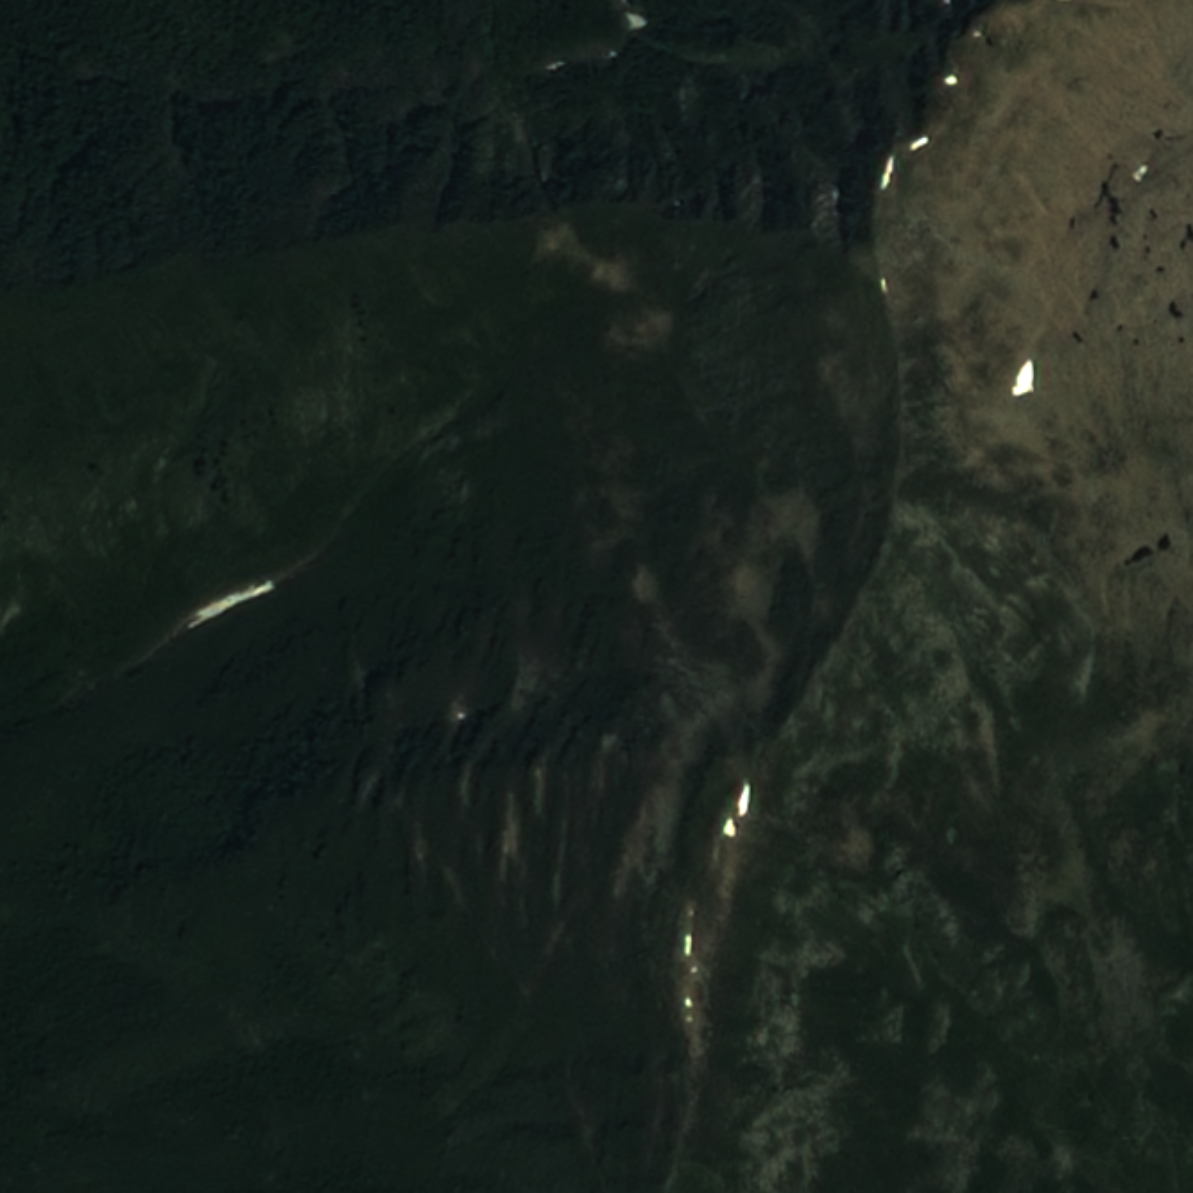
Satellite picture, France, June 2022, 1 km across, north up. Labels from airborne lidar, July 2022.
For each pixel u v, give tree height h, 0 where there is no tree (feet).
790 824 0
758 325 0
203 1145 0
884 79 0
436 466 0
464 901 0
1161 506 0
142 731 0
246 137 19
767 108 0
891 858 0
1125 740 0
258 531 0
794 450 0
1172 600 0
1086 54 0
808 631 0
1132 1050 0
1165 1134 0
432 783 0
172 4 19
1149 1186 0
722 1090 0
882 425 0
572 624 0
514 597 0
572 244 0
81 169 30
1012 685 0
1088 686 0
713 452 0
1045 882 0
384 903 0
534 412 0
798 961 0
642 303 0
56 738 0
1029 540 0
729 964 0
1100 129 0
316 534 0
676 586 0
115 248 21
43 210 22
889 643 0
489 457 0
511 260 0
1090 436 0
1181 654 0
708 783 0
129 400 0
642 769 0
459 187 25
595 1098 0
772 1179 0
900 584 0
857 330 0
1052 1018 0
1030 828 0
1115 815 0
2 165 22
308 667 0
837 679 0
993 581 0
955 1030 0
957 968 0
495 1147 0
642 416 0
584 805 0
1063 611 0
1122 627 0
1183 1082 0
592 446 0
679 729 0
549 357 0
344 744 0
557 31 0
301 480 0
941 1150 0
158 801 19
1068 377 0
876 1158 0
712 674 0
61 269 22
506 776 0
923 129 0
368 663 0
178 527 0
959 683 0
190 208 25
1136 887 0
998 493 0
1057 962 0
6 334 0
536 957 0
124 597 0
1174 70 0
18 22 18
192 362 0
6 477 0
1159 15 0
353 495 0
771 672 0
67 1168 0
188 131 26
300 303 0
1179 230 0
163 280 0
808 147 0
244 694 0
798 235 0
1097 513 0
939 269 0
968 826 0
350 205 21
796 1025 0
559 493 0
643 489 0
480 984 0
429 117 37
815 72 0
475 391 0
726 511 0
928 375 0
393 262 0
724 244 0
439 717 0
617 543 0
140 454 0
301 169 25
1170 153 0
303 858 0
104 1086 0
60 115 21
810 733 0
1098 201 0
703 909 0
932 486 0
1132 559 0
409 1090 0
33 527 0
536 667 0
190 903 0
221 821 19
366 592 0
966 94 0
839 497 0
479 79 20
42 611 0
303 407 0
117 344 0
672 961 0
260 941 0
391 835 0
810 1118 0
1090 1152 0
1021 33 0
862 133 0
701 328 0
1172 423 0
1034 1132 0
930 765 0
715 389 0
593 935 0
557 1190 0
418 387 0
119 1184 0
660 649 0
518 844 0
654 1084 0
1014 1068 0
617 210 0
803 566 0
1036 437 0
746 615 0
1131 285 0
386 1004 0
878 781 0
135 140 24
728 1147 0
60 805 0
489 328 0
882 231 0
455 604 0
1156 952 0
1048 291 0
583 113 0
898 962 0
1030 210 0
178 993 0
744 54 0
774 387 0
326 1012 0
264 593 0
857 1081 0
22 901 0
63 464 0
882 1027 0
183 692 0
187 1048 0
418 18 22
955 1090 0
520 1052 0
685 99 0
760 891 0
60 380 0
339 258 0
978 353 0
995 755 0
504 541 0
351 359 0
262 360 0
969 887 0
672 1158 0
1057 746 0
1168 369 0
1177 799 0
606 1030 0
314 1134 0
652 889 0
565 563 0
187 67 18
